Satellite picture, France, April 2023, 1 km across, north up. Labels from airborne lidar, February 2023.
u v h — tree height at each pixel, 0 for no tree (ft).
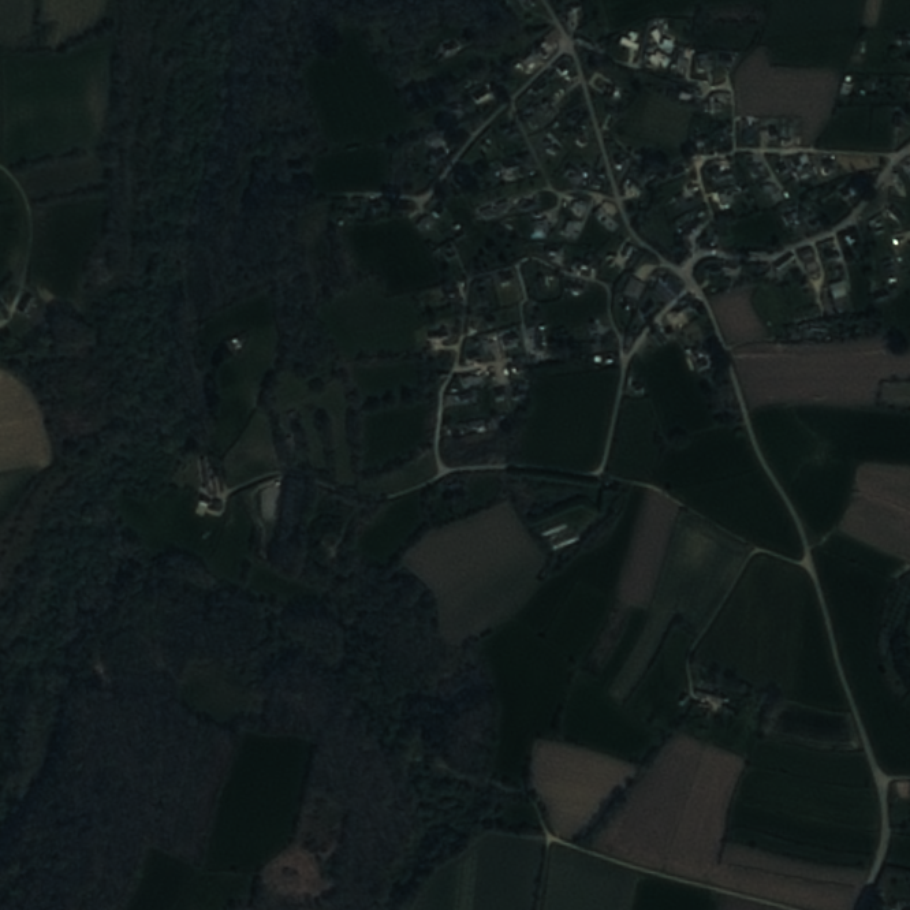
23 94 0
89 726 72
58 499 26
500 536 0
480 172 40
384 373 0
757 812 0
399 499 0
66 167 0
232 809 0
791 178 20
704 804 0
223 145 60
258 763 0
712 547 0
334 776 58
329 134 0
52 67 0
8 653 46
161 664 37
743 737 0
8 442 0
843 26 0
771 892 0
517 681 0
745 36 0
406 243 0
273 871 0
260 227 49
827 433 0
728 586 0
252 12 64
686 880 0
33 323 0
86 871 83
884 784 0
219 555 0
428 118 0
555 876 0
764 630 0
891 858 0
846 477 0
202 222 67
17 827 89
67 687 71
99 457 27
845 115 0
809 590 0
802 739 0
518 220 0
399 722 34
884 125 0
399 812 58
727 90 0
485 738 49
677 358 0
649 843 0
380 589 53
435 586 0
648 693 0
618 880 0
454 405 0
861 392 0
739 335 0
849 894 0
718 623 0
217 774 51
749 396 0
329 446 36
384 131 0
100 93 0
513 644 0
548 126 0
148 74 27
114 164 33
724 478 0
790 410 0
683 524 0
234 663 34
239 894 0
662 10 0
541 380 0
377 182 0
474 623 0
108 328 33
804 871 0
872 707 0
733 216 31
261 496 0
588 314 0
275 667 55
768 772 0
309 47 41
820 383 0
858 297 0
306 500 54
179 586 21
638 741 0
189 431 22
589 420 0
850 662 0
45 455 0
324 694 77
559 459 0
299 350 42
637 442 0
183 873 0
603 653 0
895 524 0
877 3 0
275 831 0
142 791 70
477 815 29
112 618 49
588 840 47
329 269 0
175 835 58
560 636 0
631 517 0
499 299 0
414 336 0
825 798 0
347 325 0
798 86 0
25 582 58
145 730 73
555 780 0
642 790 0
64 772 81
